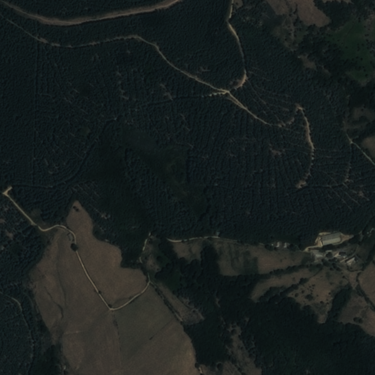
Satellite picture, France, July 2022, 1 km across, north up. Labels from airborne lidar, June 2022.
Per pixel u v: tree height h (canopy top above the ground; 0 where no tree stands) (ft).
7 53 57
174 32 57
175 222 83
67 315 0
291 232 79
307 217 88
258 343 64
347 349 106
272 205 65
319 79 47
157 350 0
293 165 69
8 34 65
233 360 29
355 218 64
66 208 73
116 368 0
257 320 72
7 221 65
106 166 61
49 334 0
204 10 66
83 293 0
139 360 0
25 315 70
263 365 22
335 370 54
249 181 56
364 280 0
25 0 58
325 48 44
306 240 82
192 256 0
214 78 41
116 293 0
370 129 19
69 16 65
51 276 0
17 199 48
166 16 48
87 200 60
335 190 69
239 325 45
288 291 56
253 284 38
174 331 0
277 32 0
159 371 0
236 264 0
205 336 69
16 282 68
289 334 55
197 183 92
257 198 66
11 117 89
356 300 0
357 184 60
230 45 60
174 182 0
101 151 55
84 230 0
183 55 51
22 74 72
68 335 0
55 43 62
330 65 39
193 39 57
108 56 62
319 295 0
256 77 77
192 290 44
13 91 75
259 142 67
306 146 45
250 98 56
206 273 50
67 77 54
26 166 59
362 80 0
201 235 46
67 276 0
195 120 98
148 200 77
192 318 0
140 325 0
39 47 66
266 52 48
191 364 0
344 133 34
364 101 42
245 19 50
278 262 0
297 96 61
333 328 84
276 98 65
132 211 38
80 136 67
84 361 0
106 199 47
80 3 62
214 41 54
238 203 81
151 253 0
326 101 52
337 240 0
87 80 72
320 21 0
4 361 47
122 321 0
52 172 57
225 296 46
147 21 73
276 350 41
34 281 0
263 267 0
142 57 75
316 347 63
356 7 33
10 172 94
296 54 58
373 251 25
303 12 0
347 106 45
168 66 72
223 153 82
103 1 45
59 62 54
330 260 31
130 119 58
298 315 105
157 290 33
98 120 68
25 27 62
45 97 75
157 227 73
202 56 56
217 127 74
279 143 76
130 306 0
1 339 57
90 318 0
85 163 94
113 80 74
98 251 0
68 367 0
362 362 73
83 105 71
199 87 43
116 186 64
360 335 62
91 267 0
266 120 66
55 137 75
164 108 63
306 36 30
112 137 87
